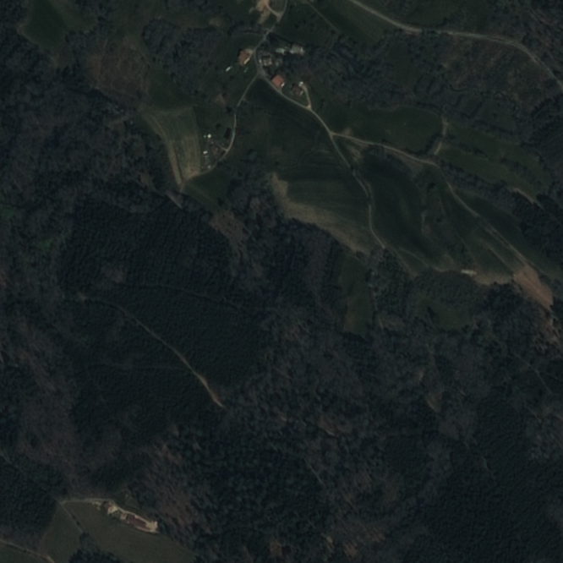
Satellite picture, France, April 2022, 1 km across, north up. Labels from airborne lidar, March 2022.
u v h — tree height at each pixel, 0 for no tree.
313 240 35
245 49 0
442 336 17
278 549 6
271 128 0
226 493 18
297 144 0
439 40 19
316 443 35
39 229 32
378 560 30
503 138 21
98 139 38
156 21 7
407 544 29
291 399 32
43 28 0
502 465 24
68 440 28
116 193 15
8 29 22
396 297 13
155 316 17
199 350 17
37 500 23
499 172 0
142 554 0
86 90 19
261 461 15
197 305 20
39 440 28
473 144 0
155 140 0
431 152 18
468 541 26
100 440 19
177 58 19
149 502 22
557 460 27
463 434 27
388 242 0
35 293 24
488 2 0
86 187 40
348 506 35
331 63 26
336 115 0
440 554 19
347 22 0
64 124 34
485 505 28
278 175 0
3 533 30
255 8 0
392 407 24
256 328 21
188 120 0
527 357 24
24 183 29
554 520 25
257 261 31
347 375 35
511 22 35
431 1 7
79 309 17
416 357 10
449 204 0
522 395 19
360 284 0
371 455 35
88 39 18
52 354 23
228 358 20
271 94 0
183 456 34
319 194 0
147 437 21
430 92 14
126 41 0
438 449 33
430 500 26
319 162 0
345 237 0
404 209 0
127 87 0
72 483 26
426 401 19
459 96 0
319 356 40
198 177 0
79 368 21
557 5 9
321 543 25
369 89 23
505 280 0
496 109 0
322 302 29
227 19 11
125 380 18
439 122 0
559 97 31
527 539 17
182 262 22
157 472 39
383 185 0
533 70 0
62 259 13
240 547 8
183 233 23
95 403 19
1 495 26
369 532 33
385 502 11
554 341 0
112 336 18
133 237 19
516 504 24
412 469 18
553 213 23
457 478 27
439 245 0
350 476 36
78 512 0
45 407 27
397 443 15
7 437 24
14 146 25
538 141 19
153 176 13
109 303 18
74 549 0
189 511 0
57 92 36
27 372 27
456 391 26
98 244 20
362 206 0
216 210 0
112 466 16
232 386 17
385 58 13
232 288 22
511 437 23
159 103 0
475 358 35
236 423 22
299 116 0
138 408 18
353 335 0
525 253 0
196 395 17
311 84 0
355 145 0
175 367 20
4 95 18
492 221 0
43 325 25
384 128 0
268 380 36
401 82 0
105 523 0
